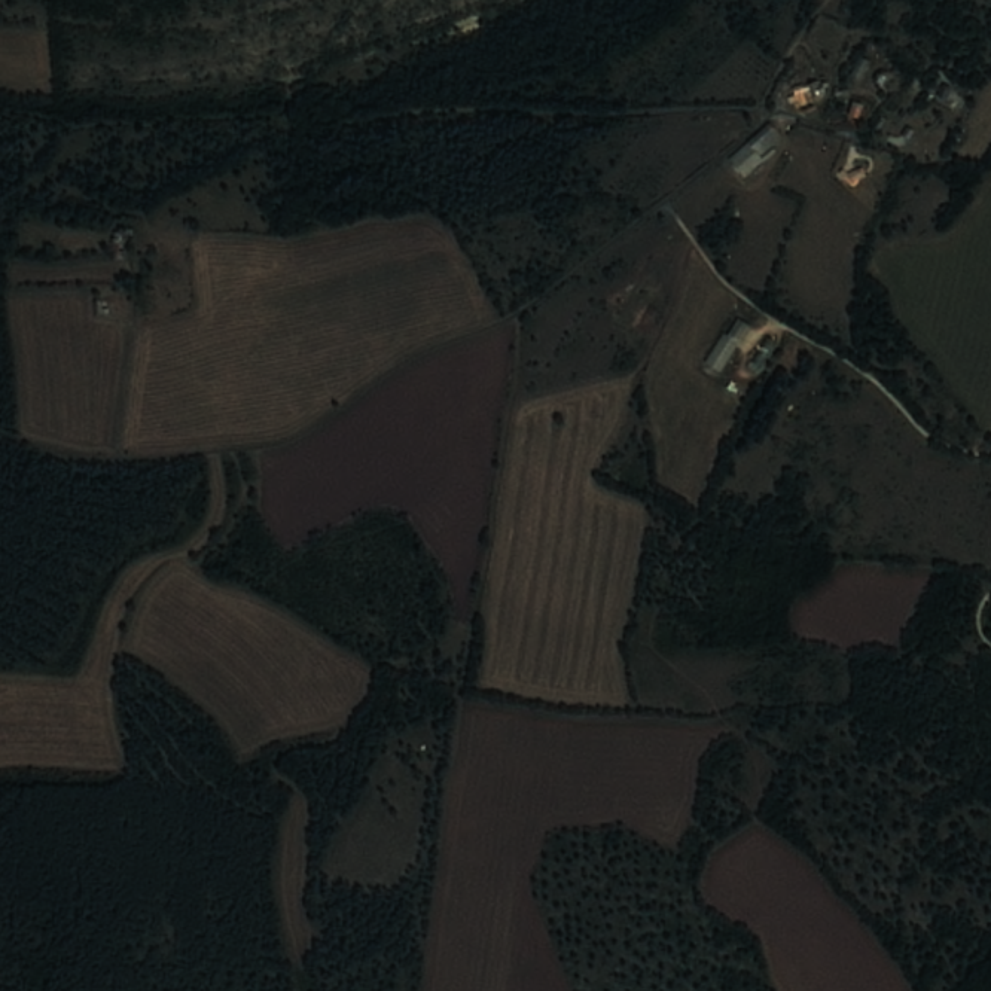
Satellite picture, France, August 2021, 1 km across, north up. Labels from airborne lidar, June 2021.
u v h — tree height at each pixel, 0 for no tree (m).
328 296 0
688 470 0
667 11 10
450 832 0
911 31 6
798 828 11
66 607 18
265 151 8
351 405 0
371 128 8
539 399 0
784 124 0
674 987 10
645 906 8
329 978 12
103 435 0
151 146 8
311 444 0
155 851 10
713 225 8
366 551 10
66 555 17
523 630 0
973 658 8
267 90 6
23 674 0
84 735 0
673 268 0
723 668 0
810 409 0
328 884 11
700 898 10
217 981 6
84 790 12
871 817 9
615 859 7
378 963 8
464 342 0
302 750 13
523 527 0
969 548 0
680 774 0
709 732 0
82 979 12
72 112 6
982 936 8
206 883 9
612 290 0
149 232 0
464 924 0
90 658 0
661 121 0
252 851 11
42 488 17
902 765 9
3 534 17
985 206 0
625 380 0
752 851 0
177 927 9
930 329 0
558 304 0
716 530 10
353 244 0
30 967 16
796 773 7
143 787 13
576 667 0
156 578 0
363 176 17
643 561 10
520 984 0
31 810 13
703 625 13
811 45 0
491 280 7
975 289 0
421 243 0
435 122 8
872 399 0
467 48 10
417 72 10
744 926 10
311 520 0
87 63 0
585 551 0
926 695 11
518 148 15
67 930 12
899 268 0
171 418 0
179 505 17
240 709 0
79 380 0
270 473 0
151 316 0
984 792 11
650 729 0
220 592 0
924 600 10
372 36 6
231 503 5
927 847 9
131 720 14
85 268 0
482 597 0
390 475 0
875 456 0
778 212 0
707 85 0
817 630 0
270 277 0
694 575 12
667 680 0
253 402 0
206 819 10
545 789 0
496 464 9
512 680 0
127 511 17
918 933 10
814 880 0
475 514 0
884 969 0
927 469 0
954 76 12
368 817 0
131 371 0
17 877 13
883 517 0
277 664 0
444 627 8
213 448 0
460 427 0
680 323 0
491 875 0
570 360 0
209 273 0
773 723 10
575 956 9
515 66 6
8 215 10
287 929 0
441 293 0
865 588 0
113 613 0
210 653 0
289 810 9
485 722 0
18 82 0
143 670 16
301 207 13
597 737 0
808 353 10
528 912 0
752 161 0
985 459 9
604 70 12
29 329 0
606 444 0
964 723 7
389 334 0
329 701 0
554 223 11
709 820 7
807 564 13
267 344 0
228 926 8
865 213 0
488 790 0
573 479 0
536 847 0
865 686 9
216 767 11
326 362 0
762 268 0
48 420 0
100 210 6
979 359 0
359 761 9
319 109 15
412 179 12
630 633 9
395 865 0
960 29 8
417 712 11
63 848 11
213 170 13
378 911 10
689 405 0
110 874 12
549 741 0
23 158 9
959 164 13
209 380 0
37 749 0
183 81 0
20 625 15
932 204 0
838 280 0
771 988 6
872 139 8
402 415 0
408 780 0
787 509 12
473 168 11
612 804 0
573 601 0
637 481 0
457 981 0
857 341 12
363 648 9
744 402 8
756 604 11
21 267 0
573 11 8
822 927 0
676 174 0
